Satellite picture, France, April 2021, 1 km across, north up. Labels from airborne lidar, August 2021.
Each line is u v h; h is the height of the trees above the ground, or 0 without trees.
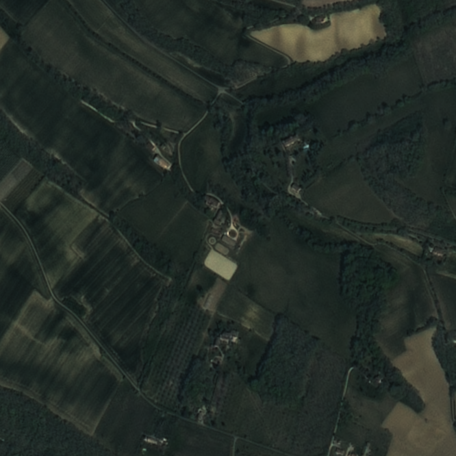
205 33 0
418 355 0
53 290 0
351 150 0
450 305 0
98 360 0
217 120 9
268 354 10
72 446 22
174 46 17
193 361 8
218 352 11
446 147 0
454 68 0
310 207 11
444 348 17
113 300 0
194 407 12
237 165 20
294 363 25
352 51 7
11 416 13
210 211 12
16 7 0
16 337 0
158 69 0
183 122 0
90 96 20
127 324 0
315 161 14
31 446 14
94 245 0
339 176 0
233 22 0
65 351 0
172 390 9
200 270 0
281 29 0
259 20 17
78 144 0
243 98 9
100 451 14
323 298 0
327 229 0
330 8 11
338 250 15
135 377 0
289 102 15
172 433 18
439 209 10
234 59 0
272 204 19
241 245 0
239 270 0
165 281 0
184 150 0
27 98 0
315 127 9
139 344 0
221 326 6
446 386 0
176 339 10
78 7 0
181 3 0
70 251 0
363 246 7
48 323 0
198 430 0
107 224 0
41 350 0
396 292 0
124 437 0
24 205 0
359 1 11
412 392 19
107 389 0
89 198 0
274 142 17
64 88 9
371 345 16
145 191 0
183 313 10
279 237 0
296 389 20
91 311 0
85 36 0
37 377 0
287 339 22
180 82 0
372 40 10
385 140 8
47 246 0
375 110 0
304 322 0
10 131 16
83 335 0
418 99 0
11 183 0
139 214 0
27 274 0
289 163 12
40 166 10
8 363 0
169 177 13
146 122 0
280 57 0
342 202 0
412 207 19
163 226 0
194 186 0
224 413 9
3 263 0
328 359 11
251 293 0
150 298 0
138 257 0
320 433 11
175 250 0
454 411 0
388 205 13
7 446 16
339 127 0
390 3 18
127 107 0
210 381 14
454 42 0
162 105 0
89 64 0
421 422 0
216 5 0
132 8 16
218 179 0
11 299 0
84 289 0
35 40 0
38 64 11
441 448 0
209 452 0
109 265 0
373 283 19
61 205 0
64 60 0
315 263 0
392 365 10
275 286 0
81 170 0
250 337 0
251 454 6
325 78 21
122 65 0
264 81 8
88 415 0
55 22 0
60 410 0
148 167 0
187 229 0
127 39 0
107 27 0
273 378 27
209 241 0
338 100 0
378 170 12
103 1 0
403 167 19
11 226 0
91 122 0
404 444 0
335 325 0
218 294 0
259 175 17
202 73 0
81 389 0
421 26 19
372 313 22
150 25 8
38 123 0
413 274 0
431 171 0
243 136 0
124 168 0
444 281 0
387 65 22
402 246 0
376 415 0
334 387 10
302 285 0
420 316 0
